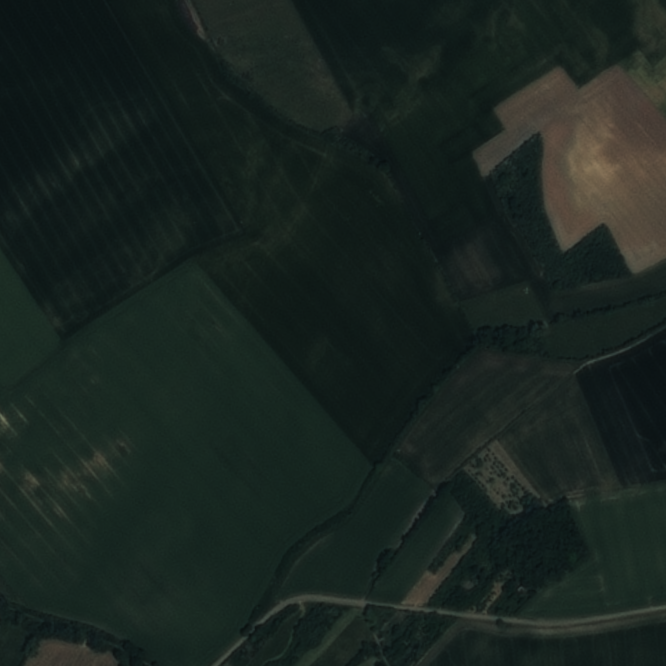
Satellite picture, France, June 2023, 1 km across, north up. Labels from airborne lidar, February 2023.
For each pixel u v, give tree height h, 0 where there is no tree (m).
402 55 0
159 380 0
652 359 0
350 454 0
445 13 0
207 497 0
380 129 0
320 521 0
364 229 0
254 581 0
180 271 0
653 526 0
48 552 0
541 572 24
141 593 0
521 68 0
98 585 0
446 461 0
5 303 0
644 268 0
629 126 0
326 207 0
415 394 0
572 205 0
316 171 0
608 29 0
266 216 0
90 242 0
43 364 0
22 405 0
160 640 0
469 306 0
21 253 0
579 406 0
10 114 0
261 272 0
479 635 0
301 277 0
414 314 0
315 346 0
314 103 0
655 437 0
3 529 0
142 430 0
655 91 0
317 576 0
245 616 0
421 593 0
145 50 0
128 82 0
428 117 0
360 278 0
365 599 0
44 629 12
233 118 0
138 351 0
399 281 0
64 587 0
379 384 0
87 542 0
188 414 0
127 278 0
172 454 0
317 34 0
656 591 0
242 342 0
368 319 0
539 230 6
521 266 0
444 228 0
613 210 0
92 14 0
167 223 0
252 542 0
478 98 0
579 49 0
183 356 0
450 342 0
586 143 0
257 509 0
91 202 0
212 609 0
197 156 0
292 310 0
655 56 0
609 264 7
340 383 0
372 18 0
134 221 0
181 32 0
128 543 0
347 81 0
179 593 0
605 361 0
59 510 0
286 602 0
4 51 0
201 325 0
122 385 0
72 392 0
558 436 0
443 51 0
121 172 0
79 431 0
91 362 0
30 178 0
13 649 0
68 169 0
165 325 0
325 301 0
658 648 0
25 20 0
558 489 0
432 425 0
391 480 0
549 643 0
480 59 0
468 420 0
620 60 0
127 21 0
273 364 0
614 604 0
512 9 0
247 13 0
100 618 0
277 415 0
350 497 0
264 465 0
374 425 0
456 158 0
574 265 7
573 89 0
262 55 0
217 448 0
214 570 0
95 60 0
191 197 0
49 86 0
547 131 0
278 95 0
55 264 0
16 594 0
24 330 0
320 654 0
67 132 0
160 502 0
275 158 0
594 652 0
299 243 0
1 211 0
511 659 0
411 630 6
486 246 0
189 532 0
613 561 0
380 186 0
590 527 0
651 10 0
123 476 0
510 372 0
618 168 0
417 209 0
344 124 0
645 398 0
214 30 0
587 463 0
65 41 0
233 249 0
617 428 0
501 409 0
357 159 0
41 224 0
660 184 0
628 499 0
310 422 0
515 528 23
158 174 0
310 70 0
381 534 0
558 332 0
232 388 0
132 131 0
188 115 0
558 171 0
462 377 0
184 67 0
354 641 0
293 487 0
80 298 0
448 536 0
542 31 0
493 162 0
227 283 0
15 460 0
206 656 0
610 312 13
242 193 0
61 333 0
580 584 0
